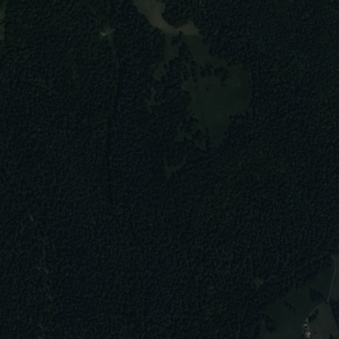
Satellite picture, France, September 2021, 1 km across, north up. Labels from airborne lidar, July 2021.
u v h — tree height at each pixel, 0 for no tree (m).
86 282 42
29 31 19
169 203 23
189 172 32
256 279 27
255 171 28
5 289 30
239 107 0
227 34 28
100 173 16
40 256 12
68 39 26
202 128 0
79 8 30
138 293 29
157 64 10
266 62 23
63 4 24
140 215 34
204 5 17
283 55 25
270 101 17
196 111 0
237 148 21
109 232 33
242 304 19
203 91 0
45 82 14
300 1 28
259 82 25
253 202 28
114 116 11
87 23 35
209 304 8
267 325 24
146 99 14
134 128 21
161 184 31
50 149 22
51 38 26
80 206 31
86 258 40
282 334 0
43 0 22
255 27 26
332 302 0
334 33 22
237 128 19
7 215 33
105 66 28
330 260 29
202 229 27
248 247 25
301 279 10
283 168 26
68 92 30
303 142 24
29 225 29
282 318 0
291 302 0
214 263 27
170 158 20
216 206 23
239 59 27
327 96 26
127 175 36
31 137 30
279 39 25
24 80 9
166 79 22
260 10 22
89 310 17
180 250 31
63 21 25
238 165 28
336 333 0
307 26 25
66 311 30
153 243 30
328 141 25
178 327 28
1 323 12
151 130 14
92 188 21
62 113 29
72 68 15
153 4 0
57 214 31
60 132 23
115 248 29
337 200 25
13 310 12
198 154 19
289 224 26
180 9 16
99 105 25
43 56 8
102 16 19
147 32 20
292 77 23
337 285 0
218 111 0
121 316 24
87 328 28
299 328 0
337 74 20
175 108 29
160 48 31
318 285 0
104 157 17
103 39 9
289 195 19
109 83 17
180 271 35
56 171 22
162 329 32
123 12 16
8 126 29
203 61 0
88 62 18
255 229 20
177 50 0
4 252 32
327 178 29
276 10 20
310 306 0
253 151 29
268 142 25
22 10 24
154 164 29
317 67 30
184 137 0
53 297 32
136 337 34
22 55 29
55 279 22
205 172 25
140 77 20
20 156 25
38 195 26
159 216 25
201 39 0
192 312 33
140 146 22
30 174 25
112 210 16
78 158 33
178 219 34
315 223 31
